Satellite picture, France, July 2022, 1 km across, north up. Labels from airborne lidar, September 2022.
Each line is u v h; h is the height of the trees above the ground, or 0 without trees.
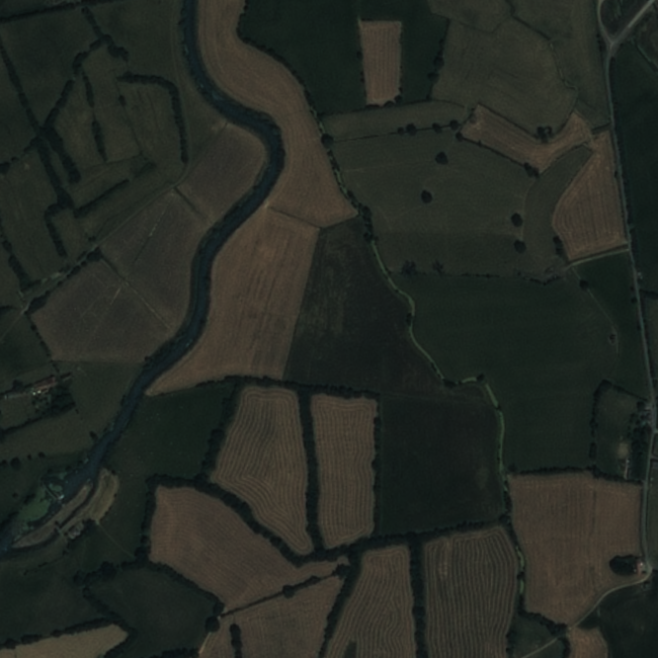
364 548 8
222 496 6
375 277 0
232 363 0
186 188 0
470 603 0
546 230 0
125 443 0
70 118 0
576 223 0
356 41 0
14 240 0
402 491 0
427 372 0
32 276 0
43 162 8
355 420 0
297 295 0
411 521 0
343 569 15
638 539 0
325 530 0
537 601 0
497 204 0
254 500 0
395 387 0
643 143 0
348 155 0
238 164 0
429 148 0
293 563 9
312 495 11
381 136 0
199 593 6
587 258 0
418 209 0
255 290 0
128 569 8
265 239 0
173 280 0
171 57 0
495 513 0
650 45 0
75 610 0
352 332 0
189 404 0
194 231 0
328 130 0
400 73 0
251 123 0
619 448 0
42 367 0
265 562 0
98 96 0
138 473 0
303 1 0
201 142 0
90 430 0
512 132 0
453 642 0
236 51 0
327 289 0
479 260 0
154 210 0
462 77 0
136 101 0
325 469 0
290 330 0
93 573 6
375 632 0
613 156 0
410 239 0
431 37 0
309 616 0
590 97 0
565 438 0
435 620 0
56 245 7
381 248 0
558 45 0
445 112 0
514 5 0
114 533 0
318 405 0
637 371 0
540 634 0
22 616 0
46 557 0
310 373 0
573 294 0
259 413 0
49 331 0
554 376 0
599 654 0
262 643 0
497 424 0
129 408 0
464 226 0
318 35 0
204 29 0
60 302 0
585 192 0
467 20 0
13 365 0
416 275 24
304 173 0
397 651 0
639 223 0
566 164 0
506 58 0
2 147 0
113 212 0
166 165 0
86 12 8
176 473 0
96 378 0
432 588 0
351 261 0
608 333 0
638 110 0
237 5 0
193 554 0
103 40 8
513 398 0
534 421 0
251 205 0
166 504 0
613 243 0
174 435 0
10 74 7
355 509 0
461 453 0
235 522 0
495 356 0
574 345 0
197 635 0
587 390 0
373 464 7
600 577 0
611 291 0
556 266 0
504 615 0
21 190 0
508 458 0
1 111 0
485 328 0
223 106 0
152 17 0
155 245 0
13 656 0
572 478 0
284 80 0
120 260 0
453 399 0
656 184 0
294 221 0
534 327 0
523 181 0
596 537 0
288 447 0
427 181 0
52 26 0
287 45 0
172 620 0
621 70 0
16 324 0
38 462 0
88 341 0
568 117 0
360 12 0
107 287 0
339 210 0
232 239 0
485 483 0
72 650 0
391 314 0
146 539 14
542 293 0
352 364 0
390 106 7
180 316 0
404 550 0
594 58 0
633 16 0
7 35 0
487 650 0
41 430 0
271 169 0
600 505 0
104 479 0
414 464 0
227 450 0
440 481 0
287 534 0
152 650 0
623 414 0
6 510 0
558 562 0
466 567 0
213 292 0
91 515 0
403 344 0
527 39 0
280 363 0
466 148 0
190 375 0
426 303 0
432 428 0
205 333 0
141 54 0
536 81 0
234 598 0
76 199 0
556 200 0
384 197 0
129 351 0
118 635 0
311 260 0
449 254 0
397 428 0
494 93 0
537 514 0
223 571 0
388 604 0
